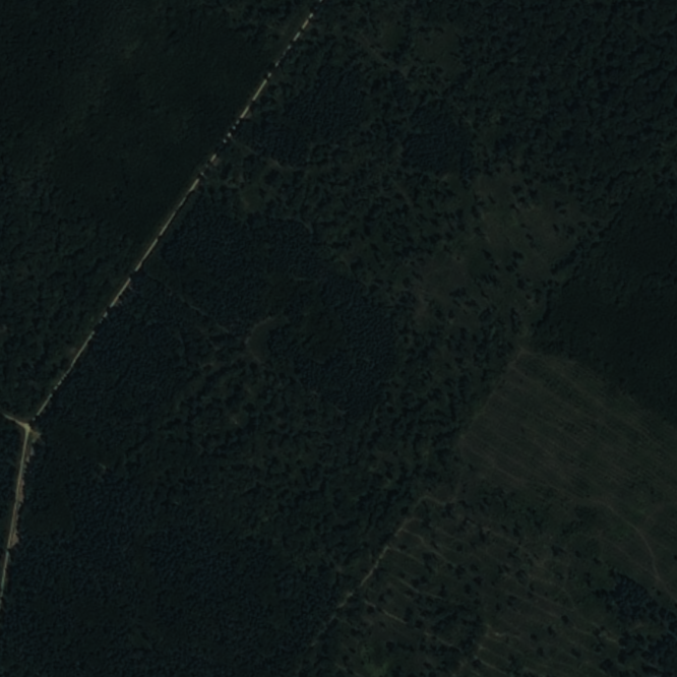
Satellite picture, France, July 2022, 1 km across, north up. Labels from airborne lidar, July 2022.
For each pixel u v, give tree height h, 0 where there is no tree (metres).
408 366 21
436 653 23
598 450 0
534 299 21
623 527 0
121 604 19
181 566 23
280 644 21
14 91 19
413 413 23
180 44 15
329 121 19
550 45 16
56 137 13
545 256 0
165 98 11
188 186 10
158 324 7
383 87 25
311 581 22
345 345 11
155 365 16
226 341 21
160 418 14
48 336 23
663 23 20
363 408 17
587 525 7
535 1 25
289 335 17
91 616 23
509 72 23
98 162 14
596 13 27
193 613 19
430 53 0
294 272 19
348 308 16
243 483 20
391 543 23
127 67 13
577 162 29
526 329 23
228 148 20
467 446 0
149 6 14
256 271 16
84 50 15
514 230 0
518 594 0
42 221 21
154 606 18
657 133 28
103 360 29
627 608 25
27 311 20
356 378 16
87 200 16
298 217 21
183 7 12
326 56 15
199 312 12
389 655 8
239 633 24
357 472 21
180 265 24
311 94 17
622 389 10
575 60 29
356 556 21
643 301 16
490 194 0
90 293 20
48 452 20
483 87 23
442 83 28
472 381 27
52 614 18
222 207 19
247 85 13
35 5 17
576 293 12
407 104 20
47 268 19
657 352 16
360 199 11
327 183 23
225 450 21
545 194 0
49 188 11
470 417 22
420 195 22
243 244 22
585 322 11
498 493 7
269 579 19
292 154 20
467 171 25
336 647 22
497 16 24
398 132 21
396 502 21
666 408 14
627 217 17
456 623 24
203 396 20
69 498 15
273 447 22
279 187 24
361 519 20
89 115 9
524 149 19
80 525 26
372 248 0
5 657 22
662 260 16
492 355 24
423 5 25
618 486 0
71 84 16
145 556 14
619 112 30
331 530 22
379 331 17
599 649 6
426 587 24
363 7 20
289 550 17
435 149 22
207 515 18
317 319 6
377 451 18
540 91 35
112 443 21
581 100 27
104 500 19
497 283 29
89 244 17
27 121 20
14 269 19
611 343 10
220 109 9
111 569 24
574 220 0
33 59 21
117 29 13
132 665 20
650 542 0
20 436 23
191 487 26
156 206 13
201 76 13
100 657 20
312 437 23
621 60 29
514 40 26
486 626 26
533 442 0
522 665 26
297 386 24
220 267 19
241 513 20
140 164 13
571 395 6
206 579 22
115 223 14
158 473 24
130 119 11
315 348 7
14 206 17
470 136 14
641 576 0
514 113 23
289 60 19
